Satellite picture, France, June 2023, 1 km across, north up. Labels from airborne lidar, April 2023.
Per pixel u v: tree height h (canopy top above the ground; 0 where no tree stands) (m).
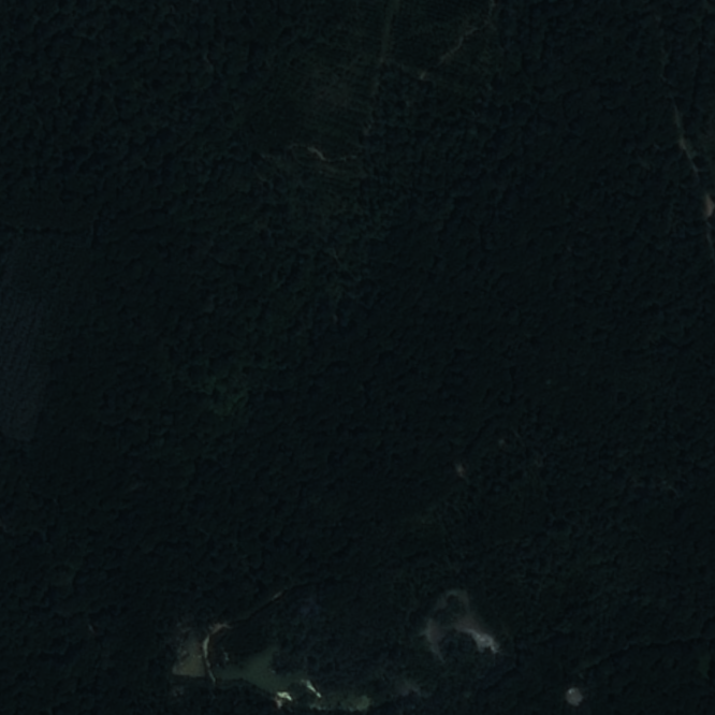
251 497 22
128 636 19
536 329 21
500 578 6
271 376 23
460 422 23
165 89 25
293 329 23
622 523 20
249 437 22
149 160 23
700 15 17
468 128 20
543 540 18
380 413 25
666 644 19
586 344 17
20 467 21
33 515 25
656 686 23
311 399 21
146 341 24
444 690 13
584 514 18
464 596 0
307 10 20
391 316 26
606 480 21
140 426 20
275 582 24
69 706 24
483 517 17
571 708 18
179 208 17
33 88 24
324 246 21
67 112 26
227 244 23
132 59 24
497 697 17
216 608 20
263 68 29
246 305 24
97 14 24
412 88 16
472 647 13
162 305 21
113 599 23
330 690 16
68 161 25
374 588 19
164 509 21
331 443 21
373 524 17
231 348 21
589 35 22
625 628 19
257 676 0
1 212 6
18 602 24
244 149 22
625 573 18
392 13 0
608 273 24
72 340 18
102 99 24
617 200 22
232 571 22
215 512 21
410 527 19
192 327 21
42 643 26
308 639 22
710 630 18
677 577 20
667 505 22
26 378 19
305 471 22
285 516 22
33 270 16
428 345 26
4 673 22
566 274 21
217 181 22
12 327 17
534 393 16
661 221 21
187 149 19
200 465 23
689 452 21
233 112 27
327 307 25
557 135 21
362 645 14
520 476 17
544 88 22
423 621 16
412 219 24
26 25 24
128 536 26
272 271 21
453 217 20
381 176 19
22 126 22
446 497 11
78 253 13
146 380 21
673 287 18
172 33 20
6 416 16
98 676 23
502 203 19
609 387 16
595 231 18
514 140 24
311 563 24
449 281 25
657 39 18
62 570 23
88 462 21
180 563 22
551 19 23
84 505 23
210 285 20
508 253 22
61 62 24
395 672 21
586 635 17
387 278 23
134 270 22
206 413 23
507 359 17
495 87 22
